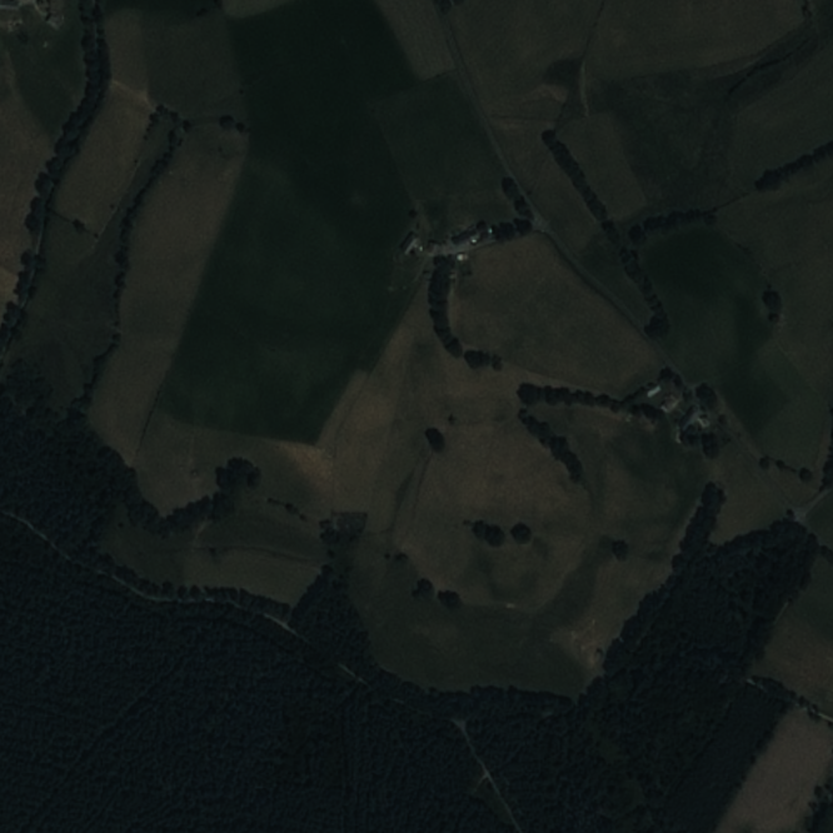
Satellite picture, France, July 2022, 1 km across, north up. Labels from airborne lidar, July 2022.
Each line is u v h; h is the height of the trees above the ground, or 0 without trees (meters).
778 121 0
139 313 0
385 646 0
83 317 0
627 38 0
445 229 0
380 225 0
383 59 0
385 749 18
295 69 0
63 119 0
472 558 0
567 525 0
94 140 0
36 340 0
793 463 0
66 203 0
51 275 0
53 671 17
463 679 0
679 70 0
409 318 0
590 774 20
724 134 0
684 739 8
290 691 17
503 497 0
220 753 19
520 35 0
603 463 0
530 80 0
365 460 0
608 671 15
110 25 0
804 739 0
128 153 0
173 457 0
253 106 0
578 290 0
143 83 0
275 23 0
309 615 17
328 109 0
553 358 0
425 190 0
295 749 11
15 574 19
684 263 0
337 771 12
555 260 0
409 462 0
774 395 0
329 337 0
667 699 23
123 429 0
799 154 0
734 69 0
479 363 16
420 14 0
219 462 0
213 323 0
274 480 0
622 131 0
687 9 0
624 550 18
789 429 0
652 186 0
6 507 20
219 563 0
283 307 0
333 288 0
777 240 0
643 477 0
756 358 0
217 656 25
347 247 0
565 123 0
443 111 0
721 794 8
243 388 0
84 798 16
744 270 0
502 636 0
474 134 0
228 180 0
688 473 0
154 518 20
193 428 0
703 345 0
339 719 7
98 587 13
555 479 0
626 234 0
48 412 8
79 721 17
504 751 17
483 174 0
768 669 0
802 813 0
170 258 0
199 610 10
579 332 0
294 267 0
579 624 0
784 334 0
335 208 0
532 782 21
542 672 0
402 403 0
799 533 18
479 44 0
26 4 0
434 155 0
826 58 0
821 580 0
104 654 23
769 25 0
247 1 0
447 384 0
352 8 0
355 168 0
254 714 23
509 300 0
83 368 0
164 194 0
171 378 0
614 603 0
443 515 0
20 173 0
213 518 17
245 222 0
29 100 0
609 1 0
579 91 0
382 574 0
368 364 0
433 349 0
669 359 0
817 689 0
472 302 0
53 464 13
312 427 0
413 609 0
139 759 18
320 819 16
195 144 0
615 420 0
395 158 0
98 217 0
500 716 13
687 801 8
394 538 0
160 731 18
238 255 0
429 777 16
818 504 0
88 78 11
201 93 0
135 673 16
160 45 0
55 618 17
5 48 0
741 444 0
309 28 0
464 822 15
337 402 0
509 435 0
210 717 23
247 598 18
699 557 16
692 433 9
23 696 17
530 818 17
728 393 0
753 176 0
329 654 20
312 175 0
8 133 0
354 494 0
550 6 0
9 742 15
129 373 0
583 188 14
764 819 0
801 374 0
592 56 0
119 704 18
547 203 0
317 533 0
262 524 0
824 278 0
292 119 0
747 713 8
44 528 23
